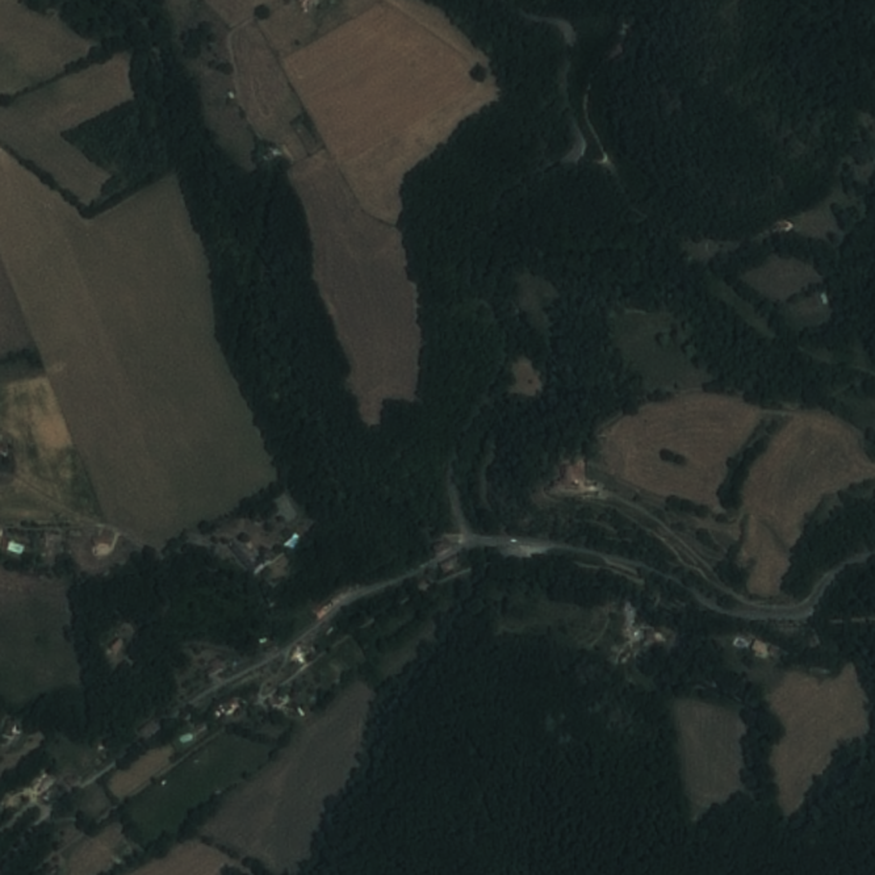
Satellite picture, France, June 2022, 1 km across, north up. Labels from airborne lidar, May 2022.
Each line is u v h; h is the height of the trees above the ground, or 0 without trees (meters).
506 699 21
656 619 23
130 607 21
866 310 20
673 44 12
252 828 0
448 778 20
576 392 9
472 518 18
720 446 0
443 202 23
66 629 10
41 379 0
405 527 19
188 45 14
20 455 0
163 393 0
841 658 8
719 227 15
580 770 24
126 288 0
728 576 13
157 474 0
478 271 26
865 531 15
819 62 27
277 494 10
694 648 24
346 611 20
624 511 0
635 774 23
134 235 0
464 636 26
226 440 0
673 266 23
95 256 0
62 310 0
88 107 0
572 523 11
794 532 0
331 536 15
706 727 0
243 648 18
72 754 0
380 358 0
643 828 25
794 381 20
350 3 0
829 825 30
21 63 0
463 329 20
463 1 11
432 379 19
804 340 15
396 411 17
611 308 20
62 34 0
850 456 0
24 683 0
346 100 0
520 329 15
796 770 0
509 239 28
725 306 23
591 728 19
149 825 0
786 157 7
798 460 0
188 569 22
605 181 16
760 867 21
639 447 0
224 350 7
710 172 14
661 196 20
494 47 20
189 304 0
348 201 0
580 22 7
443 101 0
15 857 17
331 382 16
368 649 12
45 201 0
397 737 24
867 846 29
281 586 9
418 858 22
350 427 14
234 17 0
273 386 13
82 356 0
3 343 0
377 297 0
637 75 24
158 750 0
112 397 0
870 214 14
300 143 0
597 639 0
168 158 8
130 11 24
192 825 15
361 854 32
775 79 17
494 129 18
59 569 11
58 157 0
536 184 25
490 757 16
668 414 0
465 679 20
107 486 0
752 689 18
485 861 16
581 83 9
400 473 16
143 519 0
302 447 20
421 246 22
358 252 0
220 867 0
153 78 21
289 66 0
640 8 14
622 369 12
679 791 18
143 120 14
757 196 9
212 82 0
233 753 0
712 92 10
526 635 11
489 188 19
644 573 16
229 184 26
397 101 0
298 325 21
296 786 0
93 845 0
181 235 0
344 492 10
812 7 23
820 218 0
